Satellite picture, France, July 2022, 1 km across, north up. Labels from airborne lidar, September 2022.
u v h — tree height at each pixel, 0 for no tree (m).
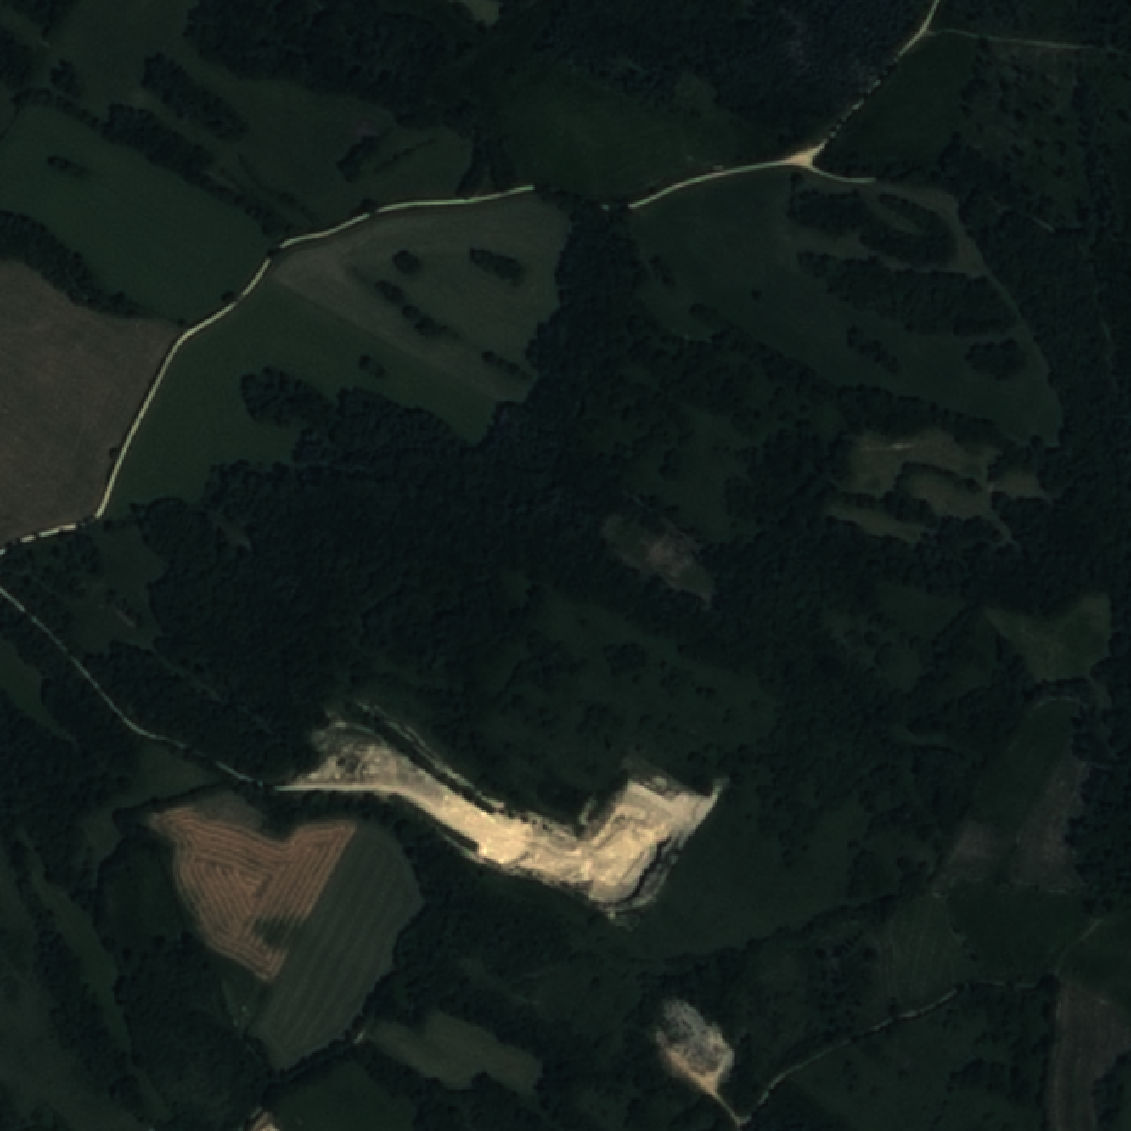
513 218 0
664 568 0
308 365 0
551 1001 0
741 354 13
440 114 15
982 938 0
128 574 0
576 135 0
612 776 0
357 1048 12
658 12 17
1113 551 16
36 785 15
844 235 13
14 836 18
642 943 0
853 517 0
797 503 17
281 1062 0
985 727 9
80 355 0
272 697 11
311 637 12
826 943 0
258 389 17
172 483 0
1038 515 19
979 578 16
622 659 10
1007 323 10
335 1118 0
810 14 20
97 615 0
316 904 0
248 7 15
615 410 10
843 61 22
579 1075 8
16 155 0
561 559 16
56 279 13
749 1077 15
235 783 9
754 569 12
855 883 7
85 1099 0
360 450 13
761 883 0
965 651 7
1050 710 0
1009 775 0
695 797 0
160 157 19
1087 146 19
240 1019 0
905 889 7
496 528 19
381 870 0
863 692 8
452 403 0
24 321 0
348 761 0
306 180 0
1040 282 6
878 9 29
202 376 0
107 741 9
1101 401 14
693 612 22
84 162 0
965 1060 0
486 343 0
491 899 7
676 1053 0
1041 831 0
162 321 0
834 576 9
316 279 0
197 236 0
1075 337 8
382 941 0
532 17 6
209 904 0
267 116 0
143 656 17
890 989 0
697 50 17
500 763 9
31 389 0
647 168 0
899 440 6
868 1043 8
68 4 11
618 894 0
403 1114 0
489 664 11
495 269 13
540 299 0
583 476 22
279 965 0
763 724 0
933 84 0
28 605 9
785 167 0
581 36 18
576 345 18
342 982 0
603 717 10
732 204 0
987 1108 0
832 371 0
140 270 0
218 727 11
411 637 9
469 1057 0
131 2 0
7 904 0
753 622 11
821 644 8
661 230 0
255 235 0
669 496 0
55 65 0
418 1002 14
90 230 0
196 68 0
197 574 17
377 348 0
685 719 0
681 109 5
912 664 0
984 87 20
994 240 19
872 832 6
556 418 19
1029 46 0
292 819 16
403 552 12
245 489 11
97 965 0
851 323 0
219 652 11
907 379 0
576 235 10
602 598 14
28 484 0
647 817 0
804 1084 0
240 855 0
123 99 0
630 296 9
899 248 11
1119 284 7
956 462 0
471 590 17
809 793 0
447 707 15
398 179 0
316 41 17
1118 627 10
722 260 0
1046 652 0
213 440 0
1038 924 0
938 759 16
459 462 19
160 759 0
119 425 0
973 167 18
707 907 0
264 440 0
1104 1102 7
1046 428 0
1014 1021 9
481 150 10
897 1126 0
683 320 0
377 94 17
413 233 0
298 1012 0
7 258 14
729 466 0
